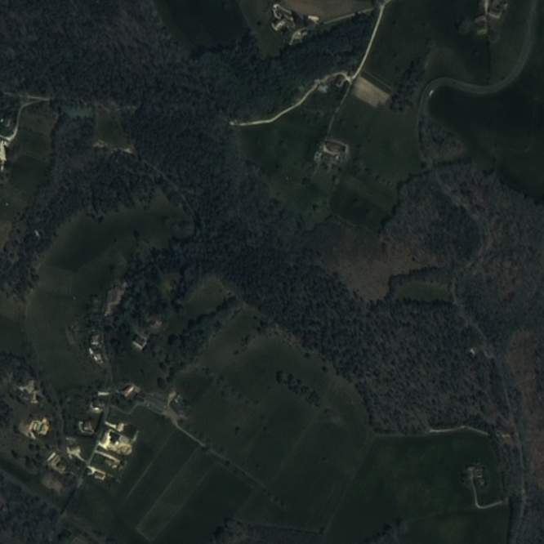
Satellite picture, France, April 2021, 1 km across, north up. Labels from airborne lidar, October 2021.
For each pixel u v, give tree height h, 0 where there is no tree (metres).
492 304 27
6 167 9
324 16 0
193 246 18
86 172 21
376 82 0
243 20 0
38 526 23
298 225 7
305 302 13
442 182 14
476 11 0
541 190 0
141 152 23
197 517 0
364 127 0
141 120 23
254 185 24
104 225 0
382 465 0
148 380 0
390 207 0
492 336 24
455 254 15
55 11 25
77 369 0
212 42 0
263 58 10
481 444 0
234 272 21
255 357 0
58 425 16
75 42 22
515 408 17
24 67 25
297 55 19
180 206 16
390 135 0
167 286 0
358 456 0
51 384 12
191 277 22
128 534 0
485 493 0
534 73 0
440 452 0
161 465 0
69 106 13
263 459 0
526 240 23
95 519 0
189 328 9
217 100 27
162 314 18
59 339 0
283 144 11
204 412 0
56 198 18
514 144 0
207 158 23
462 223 19
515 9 0
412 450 0
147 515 0
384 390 21
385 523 0
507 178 0
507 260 19
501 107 0
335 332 18
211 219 23
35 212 19
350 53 0
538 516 22
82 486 0
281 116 0
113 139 0
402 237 17
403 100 17
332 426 0
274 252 17
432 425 10
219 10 0
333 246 5
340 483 0
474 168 23
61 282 0
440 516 0
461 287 21
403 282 12
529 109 0
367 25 18
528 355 0
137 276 16
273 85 16
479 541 0
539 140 0
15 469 0
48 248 0
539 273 24
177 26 0
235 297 16
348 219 0
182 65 15
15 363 19
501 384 24
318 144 7
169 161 21
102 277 0
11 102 16
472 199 20
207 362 0
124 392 0
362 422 0
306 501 0
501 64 0
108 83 15
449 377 16
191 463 0
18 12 25
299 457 0
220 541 21
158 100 26
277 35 0
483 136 0
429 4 0
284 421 0
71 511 17
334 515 0
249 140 0
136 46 13
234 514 0
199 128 22
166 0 0
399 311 19
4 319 0
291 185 0
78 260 0
